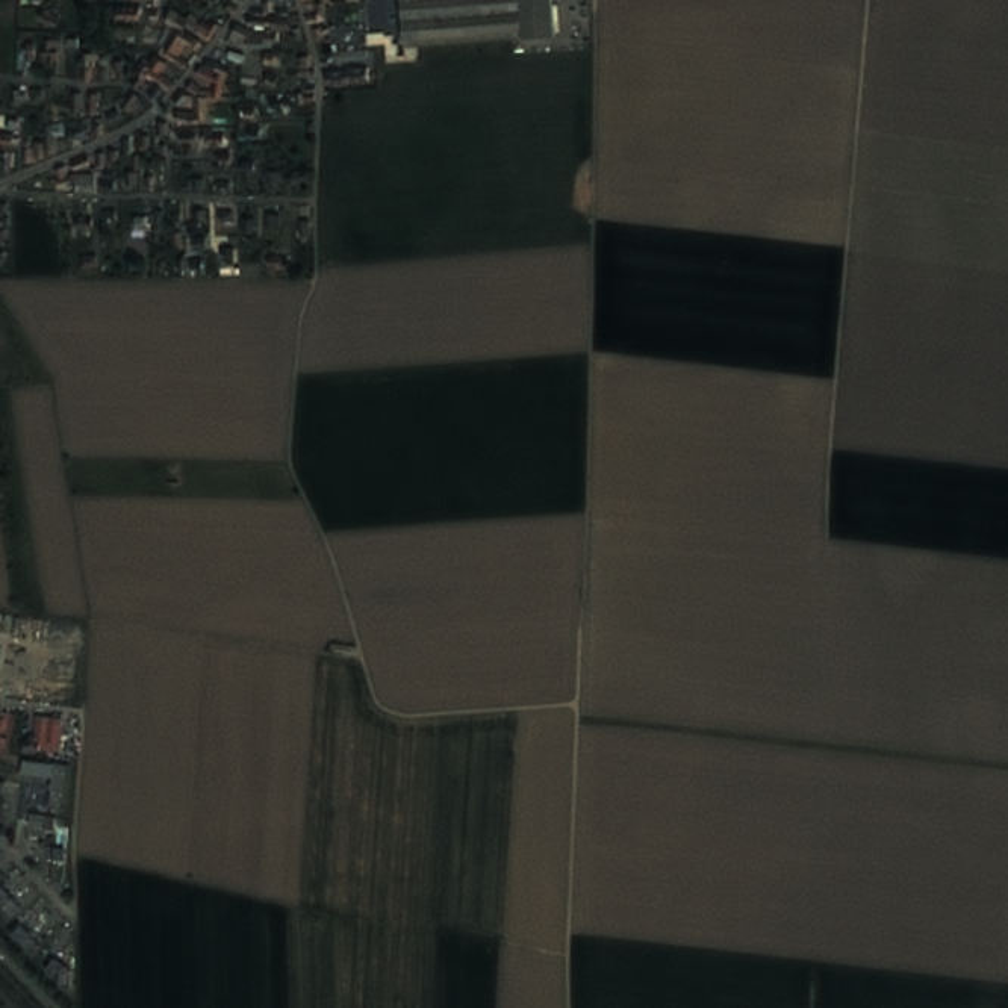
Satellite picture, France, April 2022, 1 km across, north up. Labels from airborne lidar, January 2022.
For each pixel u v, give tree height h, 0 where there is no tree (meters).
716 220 0
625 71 0
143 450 0
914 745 0
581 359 0
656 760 0
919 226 0
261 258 10
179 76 0
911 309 0
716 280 0
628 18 0
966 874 0
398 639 0
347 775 0
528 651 0
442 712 0
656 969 0
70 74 0
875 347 0
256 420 0
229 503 0
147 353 0
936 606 0
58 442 0
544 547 0
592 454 0
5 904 0
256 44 0
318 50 0
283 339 0
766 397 0
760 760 0
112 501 0
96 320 0
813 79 0
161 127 0
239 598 0
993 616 0
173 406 0
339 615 0
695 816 0
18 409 0
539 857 0
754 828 0
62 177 0
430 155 0
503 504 0
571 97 0
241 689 0
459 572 0
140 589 0
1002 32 0
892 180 0
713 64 0
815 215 0
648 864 0
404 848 0
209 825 0
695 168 0
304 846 0
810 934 0
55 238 0
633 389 0
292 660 0
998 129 0
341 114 0
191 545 0
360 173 0
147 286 0
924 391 0
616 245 0
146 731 0
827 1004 0
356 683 0
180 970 0
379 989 0
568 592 0
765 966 0
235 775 0
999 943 0
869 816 0
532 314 0
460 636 0
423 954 0
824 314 0
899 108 0
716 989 0
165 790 0
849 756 0
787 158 0
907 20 0
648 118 0
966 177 0
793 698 0
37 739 0
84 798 0
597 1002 0
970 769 0
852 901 0
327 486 0
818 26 0
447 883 0
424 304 0
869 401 0
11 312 0
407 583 0
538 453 0
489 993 0
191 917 0
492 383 0
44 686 0
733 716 0
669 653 0
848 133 0
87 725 0
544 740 0
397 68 0
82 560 0
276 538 0
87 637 0
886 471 0
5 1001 0
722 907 0
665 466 0
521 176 0
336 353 0
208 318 0
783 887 0
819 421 0
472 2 0
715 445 0
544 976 0
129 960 0
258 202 0
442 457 0
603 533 0
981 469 0
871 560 0
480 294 0
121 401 0
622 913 0
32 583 0
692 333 0
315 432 0
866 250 0
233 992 0
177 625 0
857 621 0
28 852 0
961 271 0
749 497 0
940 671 0
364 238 0
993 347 0
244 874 0
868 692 0
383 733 0
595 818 0
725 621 0
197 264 0
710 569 0
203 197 0
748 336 0
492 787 0
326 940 0
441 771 0
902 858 0
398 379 0
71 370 0
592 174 0
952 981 0
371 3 0
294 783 0
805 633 0
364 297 0
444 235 0
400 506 0
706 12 0
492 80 0
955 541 0
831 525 0
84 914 0
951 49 0
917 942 0
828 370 0
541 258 0
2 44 0
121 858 0
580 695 0
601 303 0
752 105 0
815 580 0
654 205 0
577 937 0
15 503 0
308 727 0
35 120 6
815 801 0
